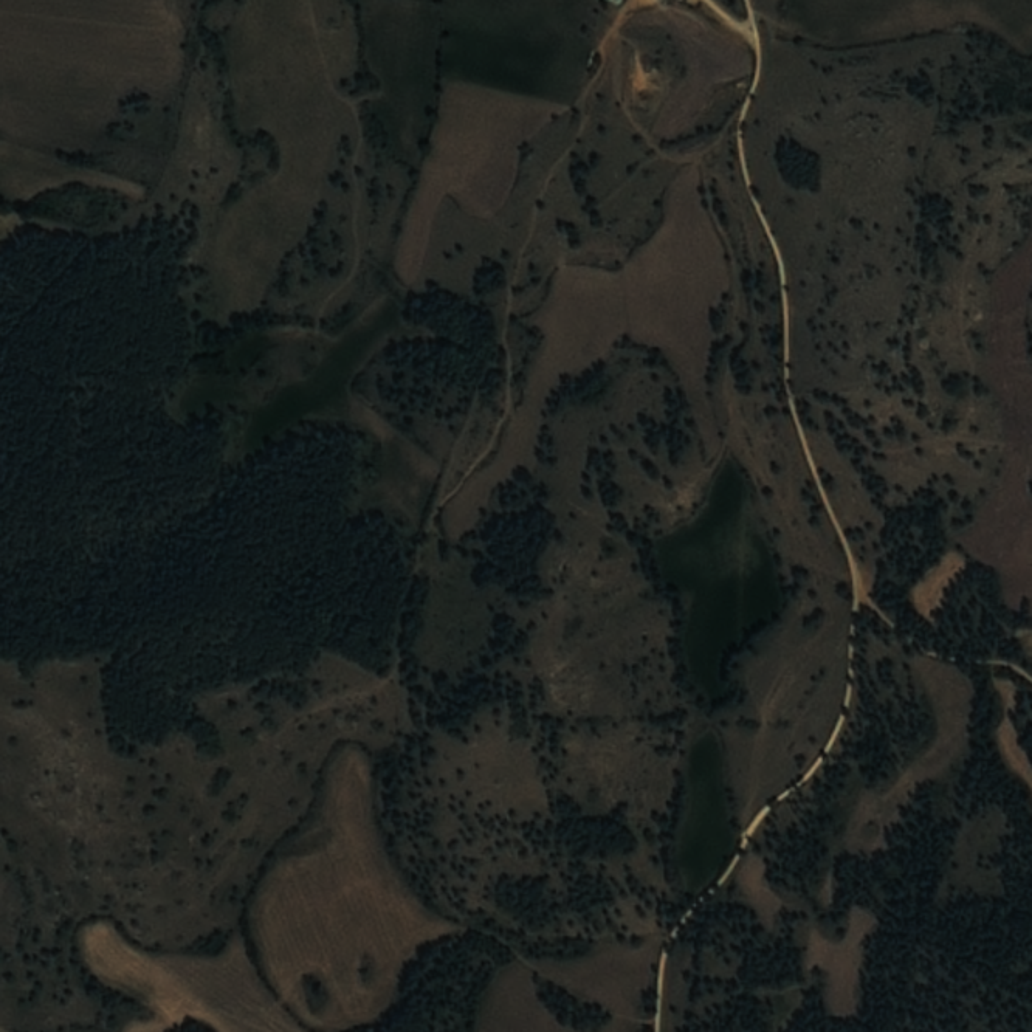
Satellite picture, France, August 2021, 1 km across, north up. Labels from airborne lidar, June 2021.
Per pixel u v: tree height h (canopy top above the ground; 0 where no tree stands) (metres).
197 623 12
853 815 0
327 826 0
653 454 9
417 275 0
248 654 14
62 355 15
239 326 19
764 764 0
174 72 0
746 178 0
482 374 15
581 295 0
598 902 10
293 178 0
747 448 0
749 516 0
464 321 17
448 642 0
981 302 0
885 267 0
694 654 0
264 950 0
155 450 19
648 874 0
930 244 9
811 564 0
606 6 10
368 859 0
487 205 0
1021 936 10
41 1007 0
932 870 11
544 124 0
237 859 0
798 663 0
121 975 0
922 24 0
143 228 12
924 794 11
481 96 0
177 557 13
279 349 0
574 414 0
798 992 0
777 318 0
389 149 5
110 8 0
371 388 0
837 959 0
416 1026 15
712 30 0
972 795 10
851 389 0
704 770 0
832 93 0
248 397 0
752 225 0
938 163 0
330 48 0
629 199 0
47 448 10
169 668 13
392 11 0
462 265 0
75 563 17
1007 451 0
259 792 0
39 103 0
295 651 8
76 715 0
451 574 0
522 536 12
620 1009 0
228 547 17
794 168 14
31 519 12
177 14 0
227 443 21
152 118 0
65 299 15
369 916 0
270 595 20
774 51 0
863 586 0
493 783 0
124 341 14
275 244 0
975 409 0
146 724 15
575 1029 12
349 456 17
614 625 0
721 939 11
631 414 0
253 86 0
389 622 16
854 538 8
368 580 18
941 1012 9
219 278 0
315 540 23
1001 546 0
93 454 15
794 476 0
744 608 0
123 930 8
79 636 16
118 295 18
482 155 0
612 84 0
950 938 9
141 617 16
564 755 9
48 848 0
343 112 0
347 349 0
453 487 0
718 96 0
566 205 0
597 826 14
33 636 16
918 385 9
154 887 0
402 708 0
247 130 0
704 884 0
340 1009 0
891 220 0
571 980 0
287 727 0
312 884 0
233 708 7
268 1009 0
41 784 0
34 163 0
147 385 16
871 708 12
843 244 0
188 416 0
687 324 0
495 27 0
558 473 0
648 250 0
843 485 0
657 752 9
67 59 0
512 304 0
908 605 6
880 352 0
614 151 0
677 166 0
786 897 0
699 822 0
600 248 0
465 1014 11
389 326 0
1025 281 0
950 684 0
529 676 0
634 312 0
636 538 15
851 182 0
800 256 0
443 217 0
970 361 0
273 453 19
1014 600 0
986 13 0
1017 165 0
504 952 9
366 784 0
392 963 0
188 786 0
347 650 14
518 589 10
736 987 13
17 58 0
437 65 8
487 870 0
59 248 15
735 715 0
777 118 0
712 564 0
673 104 0
